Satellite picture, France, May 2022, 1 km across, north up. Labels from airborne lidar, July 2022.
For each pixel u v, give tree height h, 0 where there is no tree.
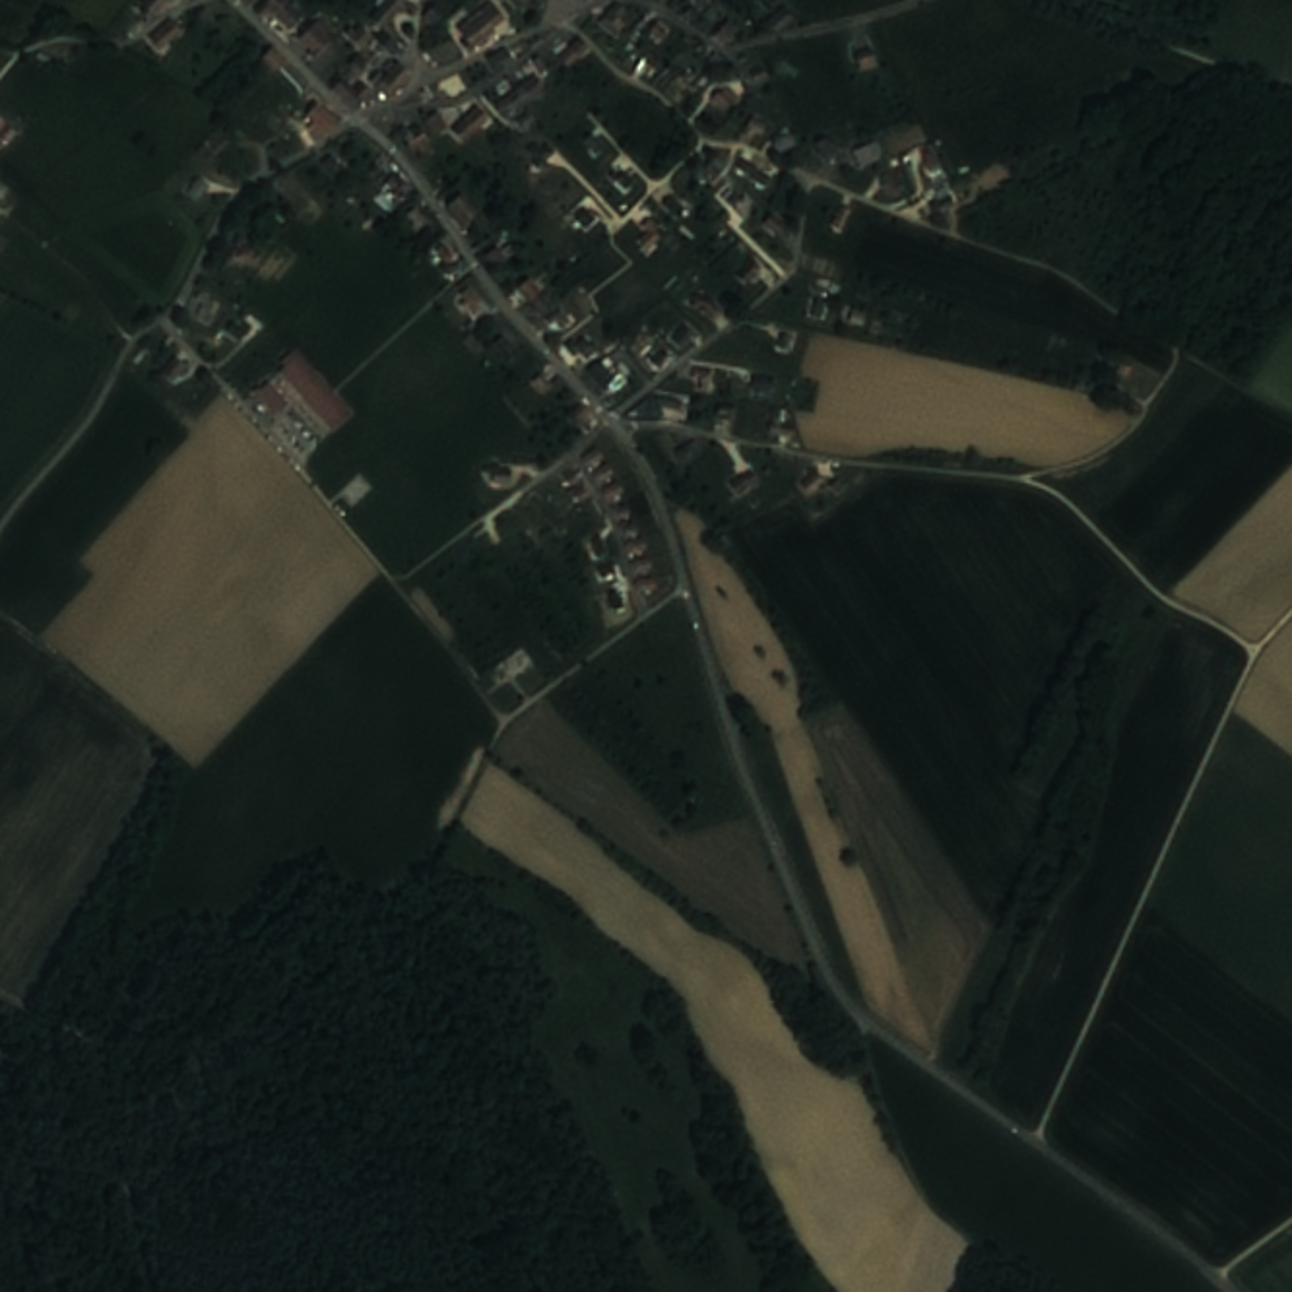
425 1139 22
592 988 0
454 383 0
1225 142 24
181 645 0
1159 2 10
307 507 0
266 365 0
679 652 0
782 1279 24
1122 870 0
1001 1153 0
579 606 7
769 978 16
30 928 0
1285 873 0
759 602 6
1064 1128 0
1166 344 13
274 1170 29
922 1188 0
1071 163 7
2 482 0
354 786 0
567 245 0
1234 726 0
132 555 0
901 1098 0
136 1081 20
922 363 0
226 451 0
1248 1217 0
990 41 0
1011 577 0
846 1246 0
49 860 0
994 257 0
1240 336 16
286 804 0
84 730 0
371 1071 22
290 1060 29
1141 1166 0
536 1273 34
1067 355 0
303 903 30
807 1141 0
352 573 0
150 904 0
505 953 14
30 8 0
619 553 0
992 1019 16
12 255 0
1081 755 16
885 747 0
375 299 0
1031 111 0
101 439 0
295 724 0
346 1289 35
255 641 0
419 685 0
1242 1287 0
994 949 0
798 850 0
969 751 0
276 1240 25
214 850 0
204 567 0
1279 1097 0
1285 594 0
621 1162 0
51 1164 26
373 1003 25
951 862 0
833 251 0
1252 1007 0
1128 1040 0
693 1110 0
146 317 13
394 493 0
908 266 0
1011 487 0
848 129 0
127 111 0
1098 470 0
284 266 0
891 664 0
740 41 8
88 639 0
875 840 0
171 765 18
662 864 0
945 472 0
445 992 26
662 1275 0
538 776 0
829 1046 27
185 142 0
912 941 0
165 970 23
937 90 0
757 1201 22
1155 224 16
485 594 0
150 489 0
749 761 0
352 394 0
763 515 0
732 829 0
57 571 0
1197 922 0
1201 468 0
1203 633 0
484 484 0
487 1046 24
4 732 0
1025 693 0
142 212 0
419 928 18
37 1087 24
